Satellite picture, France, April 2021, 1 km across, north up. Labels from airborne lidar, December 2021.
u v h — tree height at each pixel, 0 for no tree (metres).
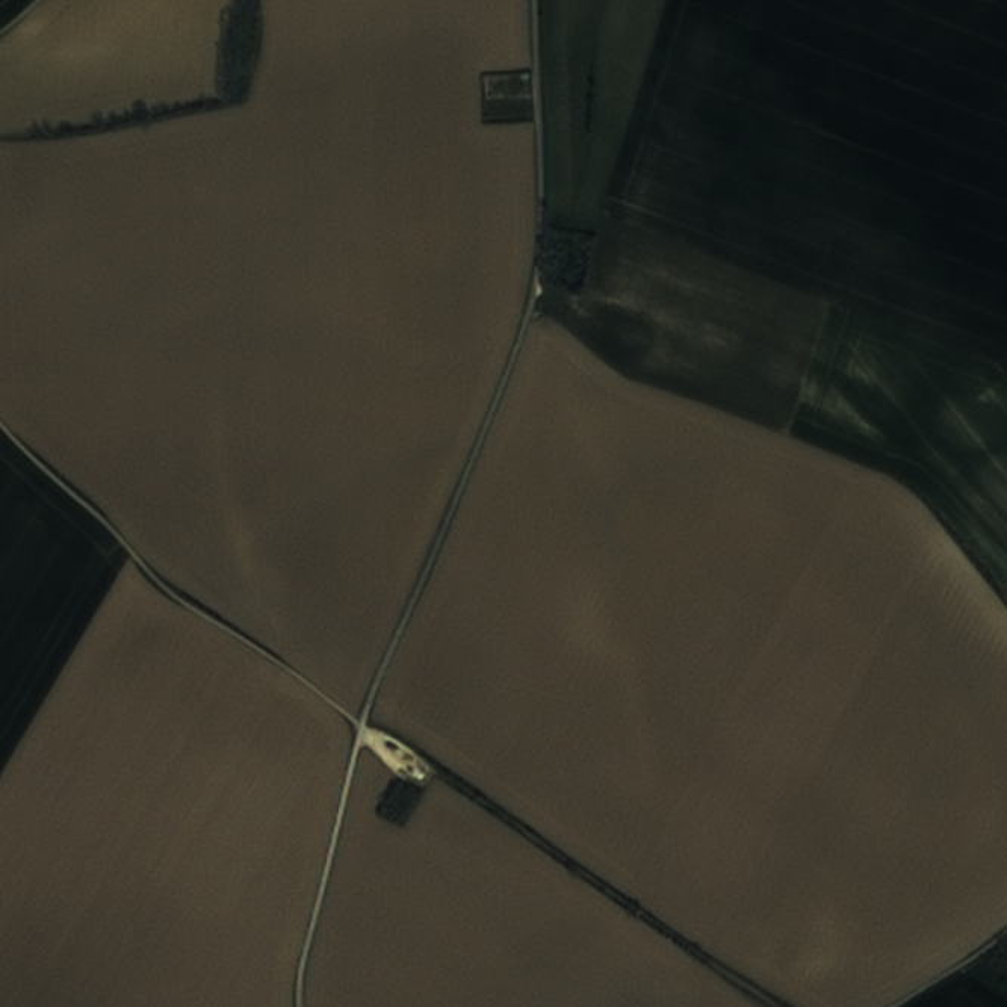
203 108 7
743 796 0
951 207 0
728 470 0
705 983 0
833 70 0
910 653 0
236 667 0
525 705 0
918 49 0
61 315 0
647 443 0
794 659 0
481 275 0
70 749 0
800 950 0
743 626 0
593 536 0
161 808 0
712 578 0
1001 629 0
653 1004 0
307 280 0
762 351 0
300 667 0
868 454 0
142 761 0
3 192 0
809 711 0
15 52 0
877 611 0
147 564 0
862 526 0
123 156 0
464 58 0
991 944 0
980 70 0
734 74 0
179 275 0
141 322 0
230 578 0
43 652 0
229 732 0
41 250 0
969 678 0
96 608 0
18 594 0
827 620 0
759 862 0
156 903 0
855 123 0
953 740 0
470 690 0
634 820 0
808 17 0
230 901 0
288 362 0
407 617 0
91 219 0
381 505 0
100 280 0
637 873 0
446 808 0
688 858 0
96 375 0
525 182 0
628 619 0
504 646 0
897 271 0
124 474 0
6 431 0
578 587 0
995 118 0
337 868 0
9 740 0
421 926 0
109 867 0
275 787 0
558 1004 0
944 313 0
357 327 0
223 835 0
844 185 0
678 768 0
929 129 0
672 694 0
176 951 0
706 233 0
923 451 0
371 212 0
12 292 0
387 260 0
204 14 0
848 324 0
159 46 0
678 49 0
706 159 0
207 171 0
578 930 0
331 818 0
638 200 0
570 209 0
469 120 0
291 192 0
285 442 0
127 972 0
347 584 0
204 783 0
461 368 0
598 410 0
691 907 0
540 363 0
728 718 0
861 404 0
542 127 0
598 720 0
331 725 0
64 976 0
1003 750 0
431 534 0
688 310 0
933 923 0
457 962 0
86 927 0
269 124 0
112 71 0
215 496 0
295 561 0
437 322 0
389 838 0
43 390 0
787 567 0
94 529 0
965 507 0
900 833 0
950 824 0
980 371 0
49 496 0
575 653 0
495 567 0
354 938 0
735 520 0
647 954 0
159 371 0
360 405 0
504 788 0
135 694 0
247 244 0
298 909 0
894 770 0
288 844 0
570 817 0
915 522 0
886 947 0
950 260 0
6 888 0
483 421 0
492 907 0
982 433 0
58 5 0
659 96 0
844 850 0
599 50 0
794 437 0
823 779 0
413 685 0
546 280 6
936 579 0
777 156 0
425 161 0
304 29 0
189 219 0
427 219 0
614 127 0
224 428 0
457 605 0
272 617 0
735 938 0
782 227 0
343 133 0
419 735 0
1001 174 0
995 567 0
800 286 0
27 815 0
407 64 0
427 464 0
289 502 0
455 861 0
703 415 0
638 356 0
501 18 0
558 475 0
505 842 0
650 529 0
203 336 0
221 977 0
